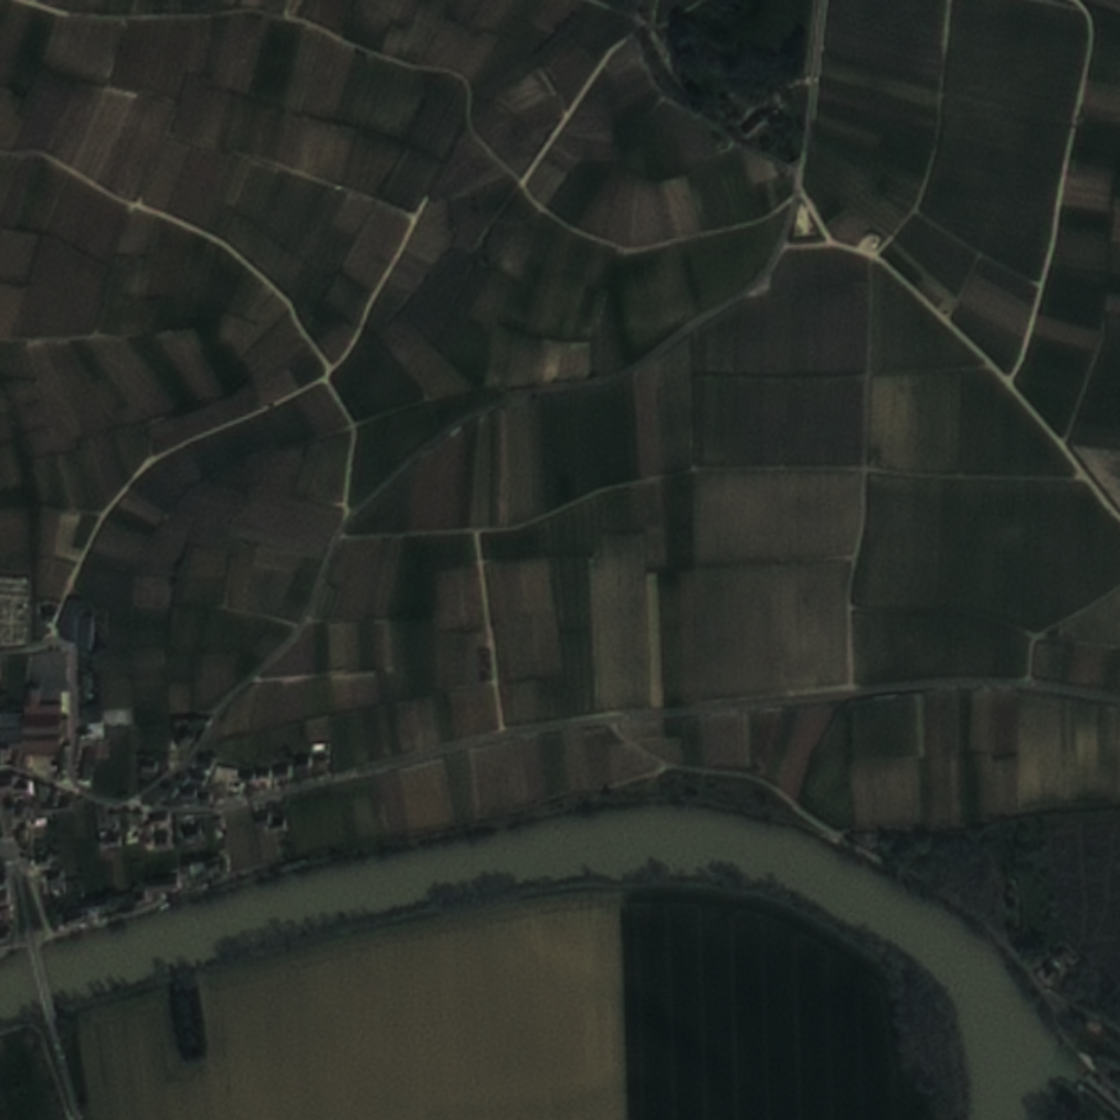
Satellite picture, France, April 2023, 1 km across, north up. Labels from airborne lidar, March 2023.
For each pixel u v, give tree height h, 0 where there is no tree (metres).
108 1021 0
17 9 0
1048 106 0
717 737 0
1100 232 0
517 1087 0
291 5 0
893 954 12
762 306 0
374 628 0
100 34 0
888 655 0
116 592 0
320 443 0
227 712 0
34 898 0
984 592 0
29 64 0
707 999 0
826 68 0
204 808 0
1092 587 0
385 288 0
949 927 0
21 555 0
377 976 0
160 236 0
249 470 0
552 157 0
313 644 0
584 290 0
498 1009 0
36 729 0
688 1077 0
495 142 0
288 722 0
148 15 0
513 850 0
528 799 0
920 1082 13
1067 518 0
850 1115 0
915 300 0
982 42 0
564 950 0
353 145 0
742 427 0
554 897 0
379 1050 0
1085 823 0
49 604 0
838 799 0
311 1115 0
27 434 0
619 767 0
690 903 0
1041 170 0
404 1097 0
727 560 0
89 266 0
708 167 0
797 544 0
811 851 0
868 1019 0
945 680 0
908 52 0
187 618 0
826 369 0
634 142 0
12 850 0
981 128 0
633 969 0
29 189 0
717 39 0
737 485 0
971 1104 15
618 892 0
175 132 0
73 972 0
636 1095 0
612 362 0
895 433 0
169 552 0
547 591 0
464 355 0
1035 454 0
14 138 0
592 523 0
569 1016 0
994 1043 0
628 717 0
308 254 0
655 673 0
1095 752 0
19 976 0
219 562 0
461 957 0
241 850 0
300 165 0
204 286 0
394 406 0
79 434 0
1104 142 0
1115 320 0
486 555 0
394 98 0
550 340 0
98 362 0
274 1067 0
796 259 0
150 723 0
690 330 0
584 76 0
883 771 0
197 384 0
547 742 0
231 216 0
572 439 0
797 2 0
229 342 0
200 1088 0
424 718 0
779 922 0
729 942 0
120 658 0
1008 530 0
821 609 0
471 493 0
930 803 0
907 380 0
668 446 0
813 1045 0
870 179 0
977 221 0
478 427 0
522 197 0
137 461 0
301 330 0
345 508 0
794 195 0
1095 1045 0
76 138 0
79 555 0
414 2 0
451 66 0
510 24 0
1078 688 0
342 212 0
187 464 0
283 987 0
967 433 0
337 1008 0
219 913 0
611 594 0
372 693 0
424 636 0
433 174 0
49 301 0
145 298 0
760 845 0
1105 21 0
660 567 0
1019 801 0
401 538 0
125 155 0
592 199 0
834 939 0
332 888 0
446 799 0
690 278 0
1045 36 0
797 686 0
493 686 0
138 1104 0
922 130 0
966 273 0
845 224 0
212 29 0
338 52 0
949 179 0
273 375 0
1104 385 0
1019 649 0
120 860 0
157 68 0
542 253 0
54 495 0
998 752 0
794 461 0
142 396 0
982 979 0
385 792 0
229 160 0
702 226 0
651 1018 0
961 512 0
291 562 0
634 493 0
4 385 0
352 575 0
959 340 0
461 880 0
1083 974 9
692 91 10
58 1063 0
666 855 0
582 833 0
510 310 0
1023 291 0
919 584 0
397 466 0
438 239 0
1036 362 0
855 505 0
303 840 0
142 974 0
